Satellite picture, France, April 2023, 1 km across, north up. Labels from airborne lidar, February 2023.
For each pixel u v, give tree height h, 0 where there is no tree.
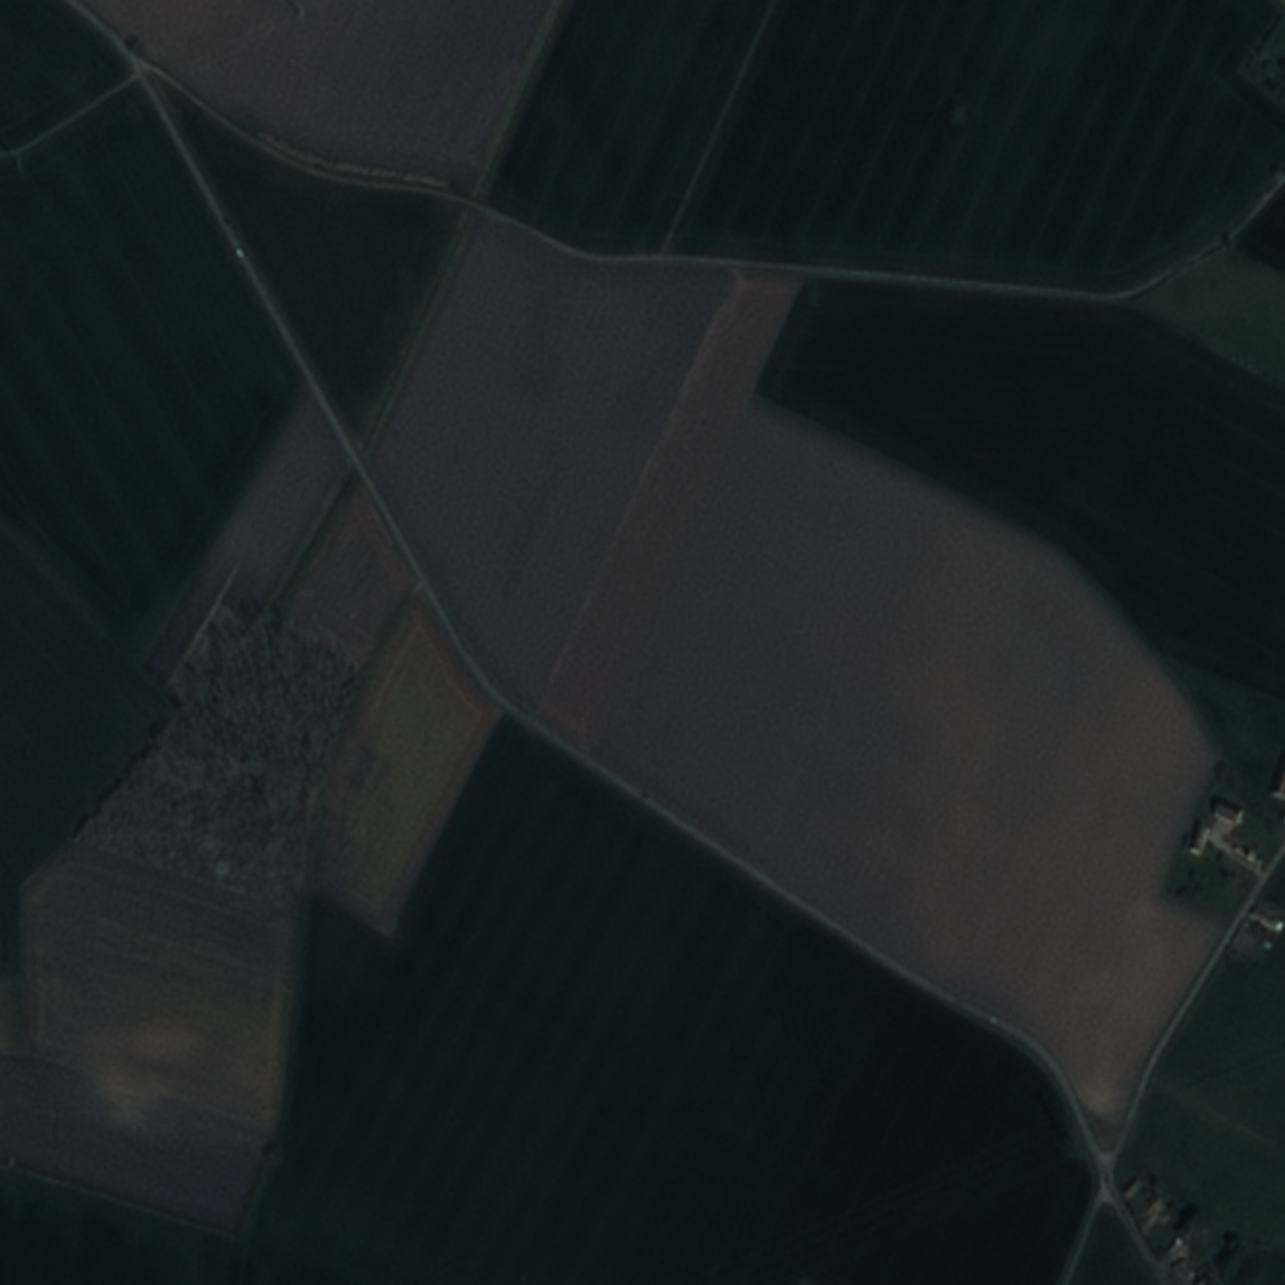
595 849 0
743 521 0
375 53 0
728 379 0
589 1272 0
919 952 0
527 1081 0
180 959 0
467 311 0
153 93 0
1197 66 0
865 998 0
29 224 0
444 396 0
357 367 0
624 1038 0
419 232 0
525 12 0
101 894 0
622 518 0
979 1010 0
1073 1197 0
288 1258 0
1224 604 0
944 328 0
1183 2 0
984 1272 0
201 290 0
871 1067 0
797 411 0
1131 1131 0
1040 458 0
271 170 0
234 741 29
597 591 0
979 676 0
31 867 0
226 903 0
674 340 0
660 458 0
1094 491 0
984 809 0
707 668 0
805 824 0
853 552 0
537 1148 0
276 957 0
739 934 0
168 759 13
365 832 0
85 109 0
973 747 0
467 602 0
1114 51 0
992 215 0
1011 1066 0
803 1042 0
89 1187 0
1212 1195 0
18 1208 0
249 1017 0
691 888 0
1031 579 0
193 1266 0
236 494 0
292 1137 0
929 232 0
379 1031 0
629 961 0
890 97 0
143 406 0
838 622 0
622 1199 0
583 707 0
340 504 0
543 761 0
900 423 0
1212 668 0
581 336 0
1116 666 0
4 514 0
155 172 0
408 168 0
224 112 0
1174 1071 0
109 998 0
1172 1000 0
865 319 0
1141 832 0
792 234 0
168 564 0
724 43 0
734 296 0
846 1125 0
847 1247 0
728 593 0
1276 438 0
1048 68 0
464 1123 0
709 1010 0
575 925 0
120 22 0
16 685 0
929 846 0
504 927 0
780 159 0
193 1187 0
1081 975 0
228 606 0
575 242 0
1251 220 0
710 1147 0
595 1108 0
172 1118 0
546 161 0
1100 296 0
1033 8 0
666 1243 0
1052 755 0
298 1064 0
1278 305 0
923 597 0
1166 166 0
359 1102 0
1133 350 0
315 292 0
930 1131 0
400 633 0
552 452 0
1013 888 0
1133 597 0
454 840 0
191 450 0
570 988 0
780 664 0
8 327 0
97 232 0
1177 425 0
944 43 0
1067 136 0
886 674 0
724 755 0
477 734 0
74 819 0
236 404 0
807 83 0
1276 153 0
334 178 0
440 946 0
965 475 0
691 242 0
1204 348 0
